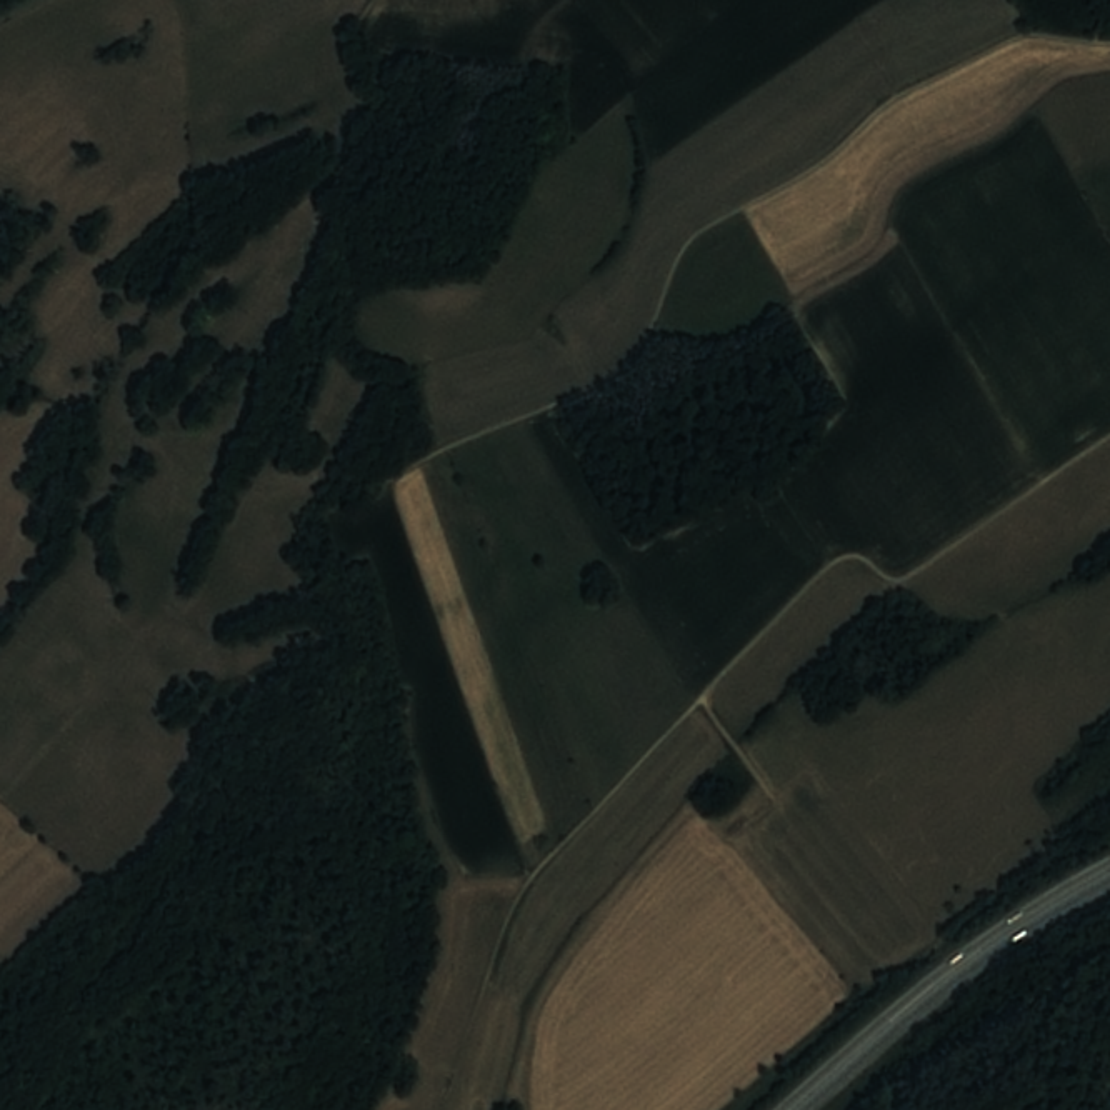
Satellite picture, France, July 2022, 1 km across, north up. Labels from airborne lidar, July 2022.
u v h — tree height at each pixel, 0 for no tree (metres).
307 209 0
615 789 0
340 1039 21
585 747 0
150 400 11
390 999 24
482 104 13
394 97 18
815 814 0
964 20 0
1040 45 0
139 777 0
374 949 16
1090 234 0
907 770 0
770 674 0
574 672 0
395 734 24
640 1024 0
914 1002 0
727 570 0
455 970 0
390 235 17
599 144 0
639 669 0
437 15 0
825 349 0
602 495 20
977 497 0
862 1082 0
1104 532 0
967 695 0
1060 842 9
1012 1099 20
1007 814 0
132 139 0
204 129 0
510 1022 0
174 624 0
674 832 0
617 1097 0
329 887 18
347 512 17
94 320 0
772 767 0
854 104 0
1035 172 0
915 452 0
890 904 0
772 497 19
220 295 18
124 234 0
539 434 0
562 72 12
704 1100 0
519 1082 0
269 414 19
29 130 0
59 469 10
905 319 0
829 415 24
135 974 19
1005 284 0
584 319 0
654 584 0
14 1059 21
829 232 0
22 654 0
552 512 0
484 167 19
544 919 0
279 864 23
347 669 20
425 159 21
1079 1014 23
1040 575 0
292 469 14
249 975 17
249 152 0
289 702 21
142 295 15
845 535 0
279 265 0
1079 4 6
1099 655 0
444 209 22
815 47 0
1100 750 9
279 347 20
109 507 18
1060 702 0
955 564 0
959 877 0
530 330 0
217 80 0
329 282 17
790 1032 0
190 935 17
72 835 0
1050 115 0
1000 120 0
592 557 0
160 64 0
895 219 0
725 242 0
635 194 10
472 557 0
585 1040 0
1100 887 0
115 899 16
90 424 18
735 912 0
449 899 0
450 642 0
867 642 14
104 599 0
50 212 17
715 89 0
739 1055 0
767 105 0
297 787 19
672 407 23
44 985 17
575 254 0
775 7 0
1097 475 0
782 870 0
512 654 0
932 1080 25
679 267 0
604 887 0
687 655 0
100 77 0
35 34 0
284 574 0
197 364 17
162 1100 16
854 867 0
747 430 24
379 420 20
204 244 21
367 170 24
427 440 22
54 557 18
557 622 0
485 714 0
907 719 0
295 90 0
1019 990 7
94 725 0
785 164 0
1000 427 0
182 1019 16
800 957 0
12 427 0
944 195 0
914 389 0
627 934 0
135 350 10
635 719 0
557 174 0
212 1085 17
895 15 0
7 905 0
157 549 0
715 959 0
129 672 0
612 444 25
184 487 0
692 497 24
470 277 17
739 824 0
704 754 0
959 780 0
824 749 0
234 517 11
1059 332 0
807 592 0
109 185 0
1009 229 0
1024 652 0
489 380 0
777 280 0
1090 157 0
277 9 0
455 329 0
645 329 0
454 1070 0
